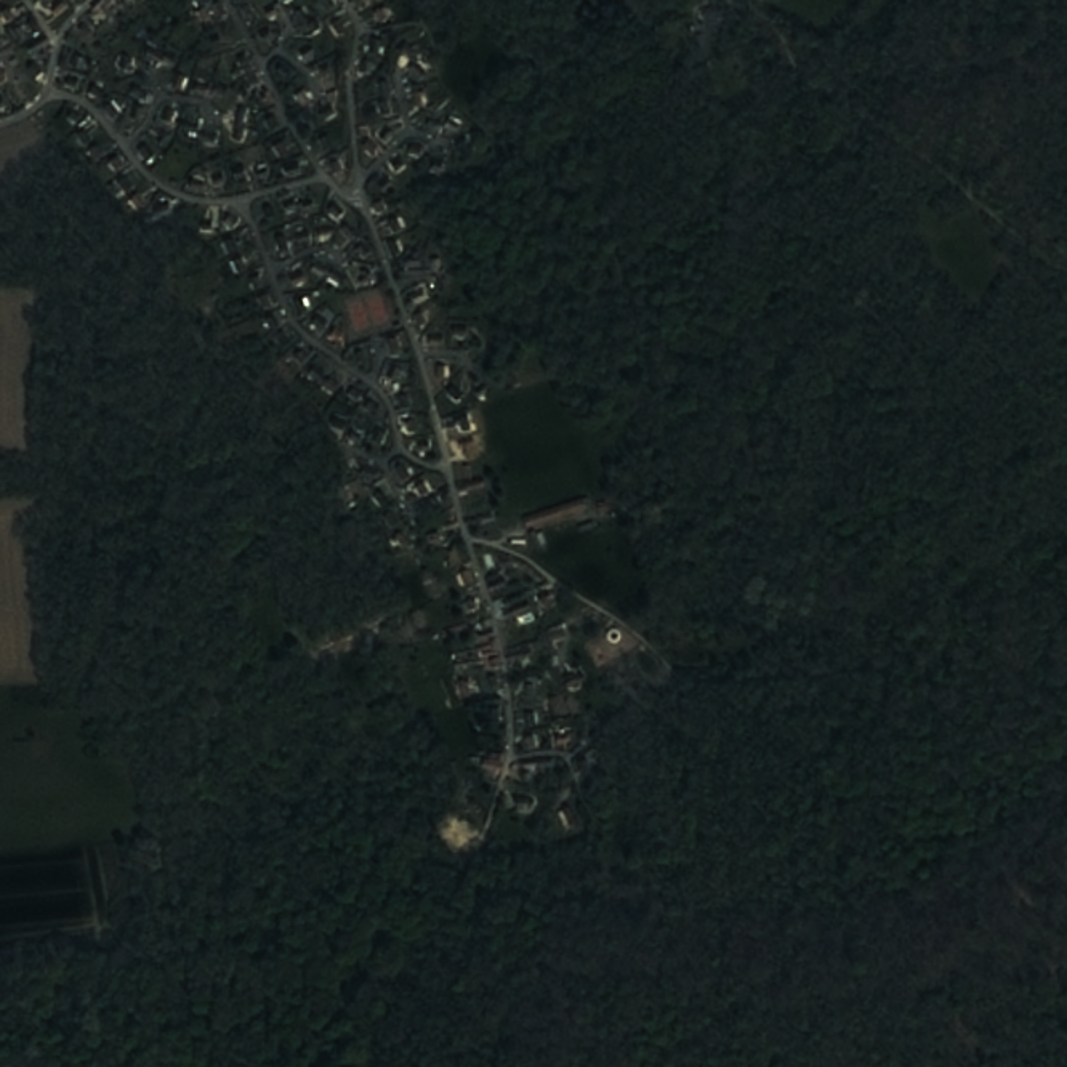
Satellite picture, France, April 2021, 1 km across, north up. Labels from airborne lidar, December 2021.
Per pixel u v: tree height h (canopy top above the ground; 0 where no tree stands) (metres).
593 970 23
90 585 23
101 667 21
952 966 20
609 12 20
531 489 0
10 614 0
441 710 0
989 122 19
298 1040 16
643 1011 25
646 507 20
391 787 27
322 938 28
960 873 30
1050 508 26
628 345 31
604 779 18
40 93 0
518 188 20
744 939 19
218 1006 26
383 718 26
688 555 19
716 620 20
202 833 24
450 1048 22
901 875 31
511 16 25
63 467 20
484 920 28
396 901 30
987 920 19
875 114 21
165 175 0
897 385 19
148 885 14
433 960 16
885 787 30
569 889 18
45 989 22
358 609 26
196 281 0
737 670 23
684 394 22
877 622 23
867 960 26
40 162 18
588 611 0
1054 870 23
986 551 27
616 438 17
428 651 0
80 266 29
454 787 21
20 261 23
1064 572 20
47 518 26
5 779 0
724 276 30
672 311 26
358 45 0
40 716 0
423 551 13
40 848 0
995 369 25
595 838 7
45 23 0
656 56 22
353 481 0
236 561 14
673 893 18
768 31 22
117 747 26
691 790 31
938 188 10
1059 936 25
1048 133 16
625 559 0
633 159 30
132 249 26
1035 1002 23
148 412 23
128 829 0
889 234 21
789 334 26
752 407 21
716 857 22
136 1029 29
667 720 29
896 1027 22
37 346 9
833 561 19
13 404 0
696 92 25
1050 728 24
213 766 24
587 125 19
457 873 15
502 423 0
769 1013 21
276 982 31
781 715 29
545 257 22
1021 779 17
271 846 27
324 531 24
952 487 28
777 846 32
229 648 24
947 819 26
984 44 26
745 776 32
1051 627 22
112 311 30
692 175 31
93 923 0
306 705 26
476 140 15
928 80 27
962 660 26
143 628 19
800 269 28
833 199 27
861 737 21
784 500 32
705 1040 18
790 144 27
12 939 0
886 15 9
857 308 19
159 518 26
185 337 28
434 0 23
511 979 21
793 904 17
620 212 27
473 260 18
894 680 21
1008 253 22
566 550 0
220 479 26
